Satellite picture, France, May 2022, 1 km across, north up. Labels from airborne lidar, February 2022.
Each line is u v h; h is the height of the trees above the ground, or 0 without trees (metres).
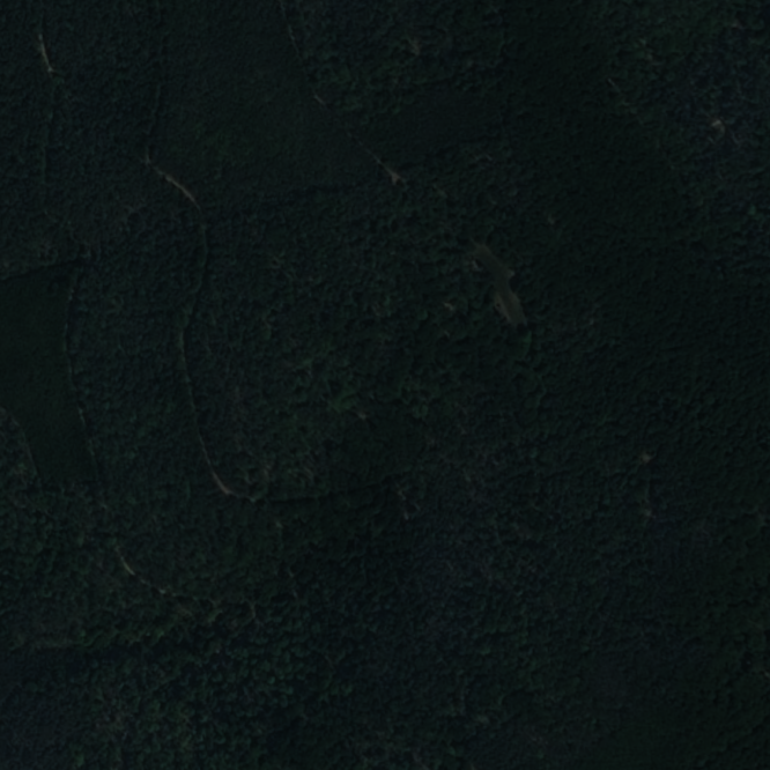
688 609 22
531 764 20
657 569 21
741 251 30
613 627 17
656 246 25
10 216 26
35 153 20
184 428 21
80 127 22
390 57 22
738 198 32
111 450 27
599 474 24
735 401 28
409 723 23
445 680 24
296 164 10
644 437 25
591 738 19
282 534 30
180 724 27
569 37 26
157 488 21
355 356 27
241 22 14
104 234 24
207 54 10
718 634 23
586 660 20
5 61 28
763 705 19
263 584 28
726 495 19
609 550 20
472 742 19
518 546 27
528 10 27
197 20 10
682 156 26
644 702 19
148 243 24
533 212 28
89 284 23
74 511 29
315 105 11
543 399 23
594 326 27
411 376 25
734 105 22
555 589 25
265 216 17
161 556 18
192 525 18
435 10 28
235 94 8
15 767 24
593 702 20
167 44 15
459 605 24
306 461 24
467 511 21
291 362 22
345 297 25
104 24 19
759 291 23
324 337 23
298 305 22
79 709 25
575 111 24
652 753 22
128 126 22
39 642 31
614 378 24
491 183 18
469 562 28
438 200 24
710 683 26
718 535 14
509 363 24
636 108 25
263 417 21
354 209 20
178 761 26
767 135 22
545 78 28
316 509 31
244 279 20
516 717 13
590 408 23
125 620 25
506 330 25
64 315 12
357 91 21
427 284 22
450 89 16
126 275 25
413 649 24
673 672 25
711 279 29
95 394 22
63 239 24
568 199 28
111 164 19
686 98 6
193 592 17
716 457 27
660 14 22
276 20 14
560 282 24
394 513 33
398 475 26
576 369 22
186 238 22
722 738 21
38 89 22
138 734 25
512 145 25
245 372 23
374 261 23
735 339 28
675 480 21
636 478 22
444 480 24
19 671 16
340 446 27
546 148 27
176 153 9
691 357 28
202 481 20
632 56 26
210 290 21
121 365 20
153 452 20
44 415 12
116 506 23
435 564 23
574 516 21
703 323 27
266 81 9
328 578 31
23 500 32
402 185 15
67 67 21
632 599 21
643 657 19
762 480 21
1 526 33
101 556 25
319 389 23
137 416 22
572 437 25
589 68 31
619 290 23
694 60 7
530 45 27
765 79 24
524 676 24
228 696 29
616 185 26
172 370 17
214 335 23
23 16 24
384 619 21
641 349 25
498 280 0
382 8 25
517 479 27
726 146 29
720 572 24
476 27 28
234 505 22
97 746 26
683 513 21
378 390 29
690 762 23
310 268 22
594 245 29
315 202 20
